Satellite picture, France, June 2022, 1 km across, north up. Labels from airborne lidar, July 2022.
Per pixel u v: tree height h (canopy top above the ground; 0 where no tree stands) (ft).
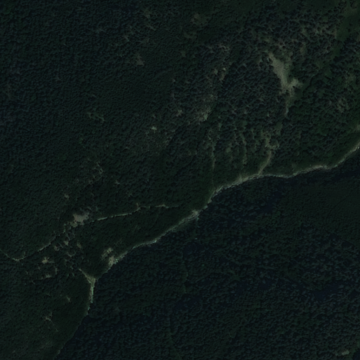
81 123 40
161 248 44
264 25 21
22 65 48
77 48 46
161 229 71
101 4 44
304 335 67
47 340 33
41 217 58
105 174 40
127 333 71
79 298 71
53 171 81
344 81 36
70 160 59
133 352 93
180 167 86
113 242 31
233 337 61
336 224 29
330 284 44
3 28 119
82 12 30
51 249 75
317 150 138
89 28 47
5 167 49
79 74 60
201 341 73
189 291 25
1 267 76
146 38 42
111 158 50
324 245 99
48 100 56
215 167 20
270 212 72
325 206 25
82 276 67
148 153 82
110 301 52
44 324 69
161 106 42
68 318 52
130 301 97
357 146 0
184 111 77
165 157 66
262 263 54
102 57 106
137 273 57
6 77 60
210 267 122
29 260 64
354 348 30
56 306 36
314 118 40
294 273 37
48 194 60
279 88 47
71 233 104
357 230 25
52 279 53
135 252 33
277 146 35
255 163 30
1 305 66
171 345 59
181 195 25
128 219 73
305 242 58
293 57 39
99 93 51
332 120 63
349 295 21
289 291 65
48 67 82
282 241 46
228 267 100
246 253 65
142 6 29
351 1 36
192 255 73
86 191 97
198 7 35
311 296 108
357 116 56
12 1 68
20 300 66
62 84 44
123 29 70
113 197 106
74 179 79
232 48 45
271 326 76
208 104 69
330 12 69
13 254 52
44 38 42
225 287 103
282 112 96
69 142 64
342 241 99
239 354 54
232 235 52
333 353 34
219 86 85
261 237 104
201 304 78
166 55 30
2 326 52
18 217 46
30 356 55
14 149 69
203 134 65
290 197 26
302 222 34
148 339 78
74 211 70
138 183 78
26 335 53
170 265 20
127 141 58
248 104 110
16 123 51
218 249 97
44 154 84
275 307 50
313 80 57
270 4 23
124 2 32
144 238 58
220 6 22
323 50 41
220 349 110
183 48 44
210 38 44
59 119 84
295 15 79
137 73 37
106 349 84
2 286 57
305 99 64
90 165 77
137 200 76
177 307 41
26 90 85
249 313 67
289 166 21
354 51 71
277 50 43
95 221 45
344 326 33
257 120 92
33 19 77
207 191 39
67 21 78
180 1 33
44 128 60
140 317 63
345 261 43
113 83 55
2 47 67
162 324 70
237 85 123
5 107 85
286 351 79
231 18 26
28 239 43
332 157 39
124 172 77
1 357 59
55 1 98
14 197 51
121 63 55
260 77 90
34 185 86
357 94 29
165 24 31
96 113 22
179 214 48
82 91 42
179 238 22
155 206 40
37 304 85
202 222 48
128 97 53
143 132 63
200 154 48
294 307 35
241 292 54
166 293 51
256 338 49
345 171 20
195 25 39
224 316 79
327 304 91
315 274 108
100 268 68
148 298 78
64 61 99
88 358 100
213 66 80
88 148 87
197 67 38
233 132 57
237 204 48
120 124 33
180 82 50
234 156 89
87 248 43
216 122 43
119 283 56
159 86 51
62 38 88
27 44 52
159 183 92
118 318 80
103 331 102
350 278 47
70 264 66
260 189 20
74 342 61
